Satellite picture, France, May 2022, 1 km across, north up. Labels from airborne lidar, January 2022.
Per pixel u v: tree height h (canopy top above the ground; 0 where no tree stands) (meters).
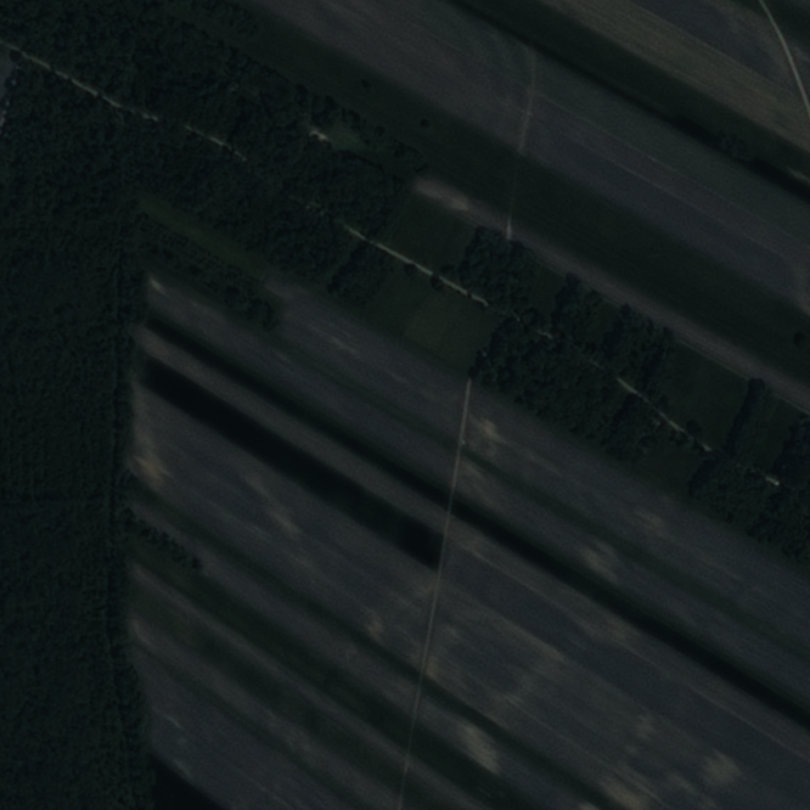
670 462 0
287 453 0
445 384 0
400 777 0
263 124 24
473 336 0
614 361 25
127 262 21
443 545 0
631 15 0
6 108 20
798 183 0
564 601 0
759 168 0
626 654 0
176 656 0
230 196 18
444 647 0
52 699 25
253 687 0
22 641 15
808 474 23
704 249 0
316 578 0
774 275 0
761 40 0
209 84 21
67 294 7
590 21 0
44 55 23
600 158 0
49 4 27
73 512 18
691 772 0
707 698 0
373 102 0
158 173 22
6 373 23
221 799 0
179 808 0
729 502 24
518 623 0
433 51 0
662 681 0
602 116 0
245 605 0
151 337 0
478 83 0
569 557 0
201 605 0
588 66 0
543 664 0
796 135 0
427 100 0
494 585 0
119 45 24
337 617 0
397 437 0
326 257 22
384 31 0
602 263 0
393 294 0
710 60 0
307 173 20
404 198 21
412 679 0
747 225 0
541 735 0
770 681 0
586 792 0
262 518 0
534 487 0
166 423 0
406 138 0
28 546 30
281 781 0
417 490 0
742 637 0
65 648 21
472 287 21
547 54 0
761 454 0
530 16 0
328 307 0
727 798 0
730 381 0
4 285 7
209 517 0
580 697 0
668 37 0
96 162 26
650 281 0
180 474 0
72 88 21
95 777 28
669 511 0
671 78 0
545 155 0
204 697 0
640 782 0
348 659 0
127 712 20
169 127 25
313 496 0
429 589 0
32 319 19
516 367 26
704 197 0
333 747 0
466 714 0
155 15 22
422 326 0
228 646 0
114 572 22
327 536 0
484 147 0
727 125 0
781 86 0
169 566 0
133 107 22
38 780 26
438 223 0
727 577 0
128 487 22
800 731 0
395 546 0
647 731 0
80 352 16
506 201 0
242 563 0
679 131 0
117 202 19
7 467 7
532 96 0
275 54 0
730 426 0
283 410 0
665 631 0
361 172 23
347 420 0
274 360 0
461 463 0
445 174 0
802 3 0
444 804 0
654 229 0
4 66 0
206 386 0
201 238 0
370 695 0
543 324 27
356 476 0
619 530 0
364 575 0
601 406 20
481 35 0
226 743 0
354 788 0
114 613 21
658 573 0
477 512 0
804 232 0
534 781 0
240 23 20
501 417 0
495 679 0
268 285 0
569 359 29
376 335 0
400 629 0
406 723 0
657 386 24
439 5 0
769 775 0
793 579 0
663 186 0
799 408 0
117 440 8
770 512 22
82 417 16
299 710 0
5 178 20
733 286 0
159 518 0
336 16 0
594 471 0
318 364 0
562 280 0
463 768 0
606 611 0
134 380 0
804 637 0
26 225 11
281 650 0
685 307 0
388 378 0
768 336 0
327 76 0
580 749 0
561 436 0
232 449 0
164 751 0
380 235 22
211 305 0
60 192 23
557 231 0
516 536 0
